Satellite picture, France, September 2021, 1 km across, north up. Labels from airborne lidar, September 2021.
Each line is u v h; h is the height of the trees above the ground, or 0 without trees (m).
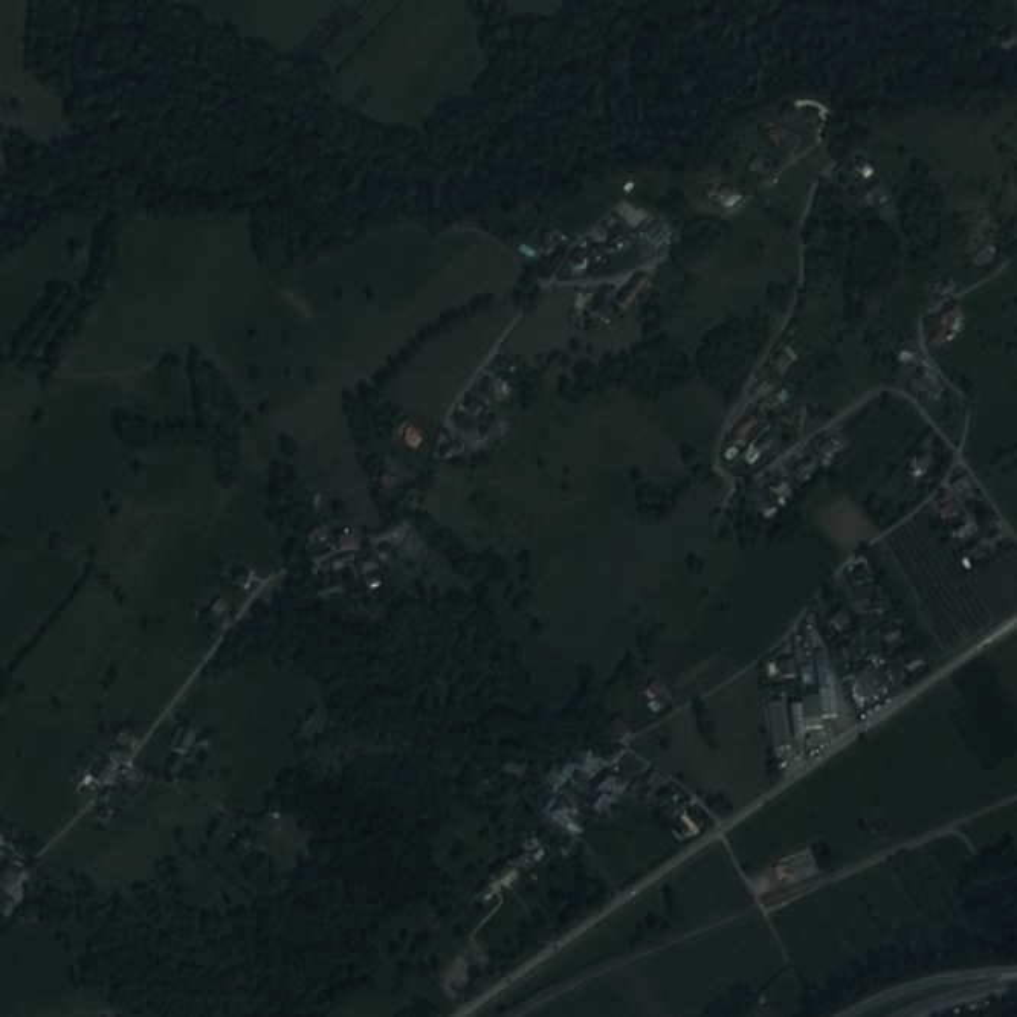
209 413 21
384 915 19
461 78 0
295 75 22
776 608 0
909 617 8
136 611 0
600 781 0
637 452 0
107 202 21
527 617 7
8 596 0
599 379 16
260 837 6
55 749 0
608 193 0
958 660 0
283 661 18
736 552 0
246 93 31
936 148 0
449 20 0
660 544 0
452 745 25
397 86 0
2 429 0
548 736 21
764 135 8
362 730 15
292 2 0
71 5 17
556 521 0
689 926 0
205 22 18
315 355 0
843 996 22
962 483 0
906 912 0
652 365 15
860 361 0
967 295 0
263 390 0
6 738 0
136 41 32
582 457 0
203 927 13
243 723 0
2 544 12
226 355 0
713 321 0
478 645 16
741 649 0
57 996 0
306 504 15
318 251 19
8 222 16
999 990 0
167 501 0
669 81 7
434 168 23
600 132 33
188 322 0
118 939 24
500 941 0
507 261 0
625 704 0
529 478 0
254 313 0
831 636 12
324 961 17
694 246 18
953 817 0
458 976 0
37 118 0
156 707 0
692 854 0
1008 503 0
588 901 21
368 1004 0
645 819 0
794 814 0
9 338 0
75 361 0
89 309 11
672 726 0
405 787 22
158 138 19
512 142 36
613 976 0
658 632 14
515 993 0
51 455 0
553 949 0
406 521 11
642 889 0
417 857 18
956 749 0
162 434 19
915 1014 0
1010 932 23
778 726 0
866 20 27
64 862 0
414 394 0
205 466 0
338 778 10
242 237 0
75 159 26
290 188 22
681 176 18
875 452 0
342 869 24
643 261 0
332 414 0
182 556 0
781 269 0
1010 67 14
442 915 14
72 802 0
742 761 0
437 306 0
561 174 29
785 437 6
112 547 0
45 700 0
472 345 0
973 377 0
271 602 0
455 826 0
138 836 0
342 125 22
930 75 28
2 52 0
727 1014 17
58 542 14
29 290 0
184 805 0
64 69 9
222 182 25
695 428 0
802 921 0
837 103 11
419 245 0
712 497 0
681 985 0
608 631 0
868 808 0
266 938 22
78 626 0
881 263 18
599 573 0
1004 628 0
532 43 31
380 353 0
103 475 0
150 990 15
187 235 0
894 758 0
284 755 0
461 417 9
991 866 16
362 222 26
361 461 6
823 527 0
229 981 31
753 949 0
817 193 7
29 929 0
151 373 0
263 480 0
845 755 0
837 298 0
